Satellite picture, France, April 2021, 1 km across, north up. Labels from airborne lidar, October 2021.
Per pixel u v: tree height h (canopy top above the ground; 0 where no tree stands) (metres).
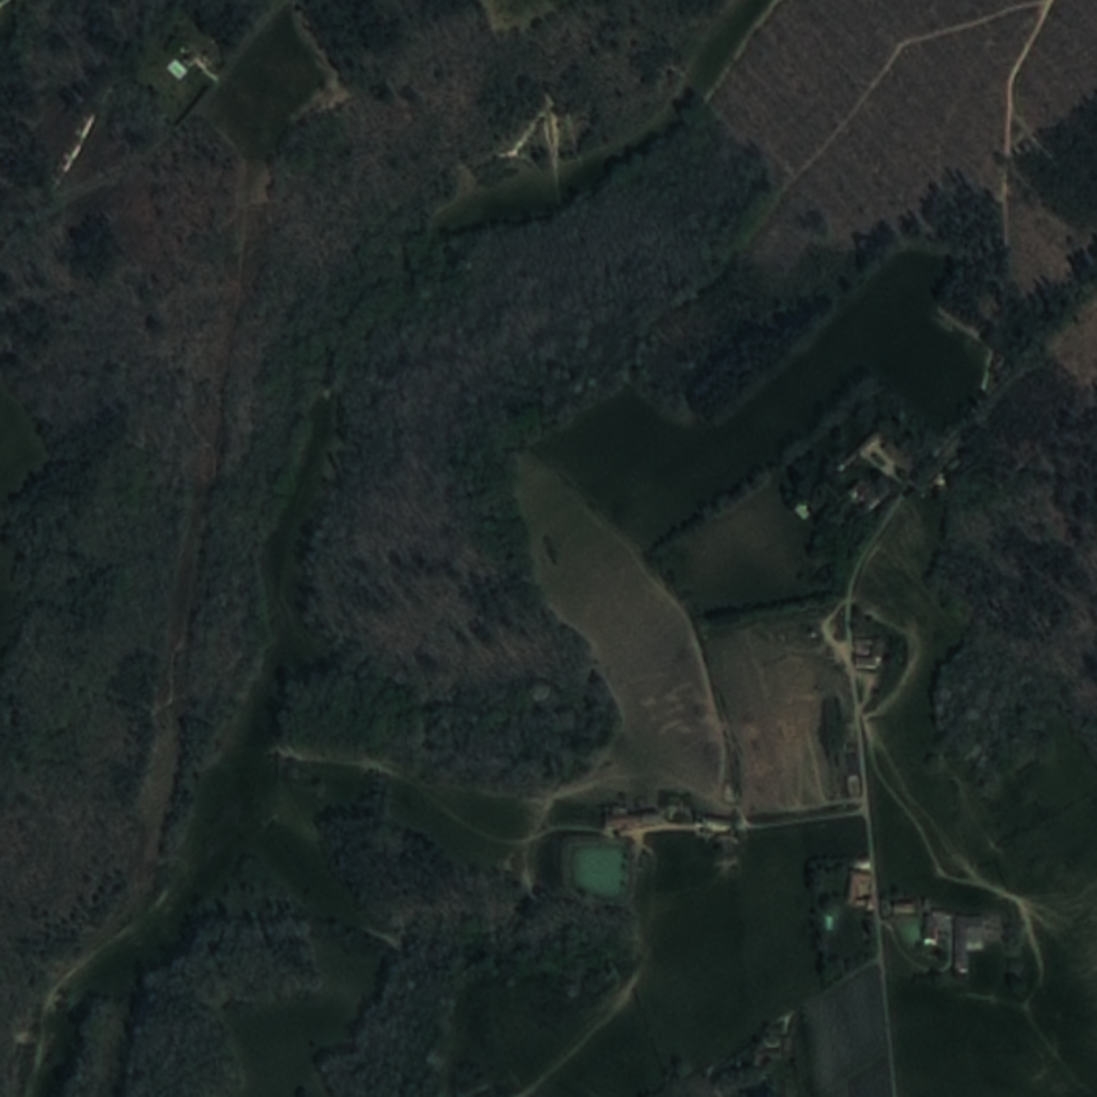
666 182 19
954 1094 0
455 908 22
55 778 20
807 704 0
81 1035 27
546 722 22
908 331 0
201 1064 26
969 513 19
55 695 19
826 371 0
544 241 16
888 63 0
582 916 22
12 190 25
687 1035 0
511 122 9
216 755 21
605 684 12
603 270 18
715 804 0
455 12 20
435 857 23
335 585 22
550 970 19
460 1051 0
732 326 10
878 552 0
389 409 16
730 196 16
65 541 17
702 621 8
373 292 21
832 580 11
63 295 12
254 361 12
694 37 16
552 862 0
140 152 27
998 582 17
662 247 18
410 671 18
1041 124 0
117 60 30
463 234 11
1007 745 19
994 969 0
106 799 15
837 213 0
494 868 0
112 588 17
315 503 0
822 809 0
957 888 0
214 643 17
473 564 21
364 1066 15
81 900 11
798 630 0
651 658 0
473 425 19
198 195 7
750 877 0
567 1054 0
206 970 22
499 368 19
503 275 17
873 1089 0
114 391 15
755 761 0
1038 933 0
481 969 17
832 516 10
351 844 24
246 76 0
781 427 0
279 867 0
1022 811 0
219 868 0
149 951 0
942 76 0
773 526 0
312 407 22
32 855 18
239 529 25
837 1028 0
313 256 17
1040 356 13
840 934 0
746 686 0
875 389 19
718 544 0
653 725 0
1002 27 0
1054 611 21
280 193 20
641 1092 0
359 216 17
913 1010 0
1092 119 7
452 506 19
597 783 0
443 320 14
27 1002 23
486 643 24
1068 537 8
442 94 18
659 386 11
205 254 21
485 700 22
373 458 16
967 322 17
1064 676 21
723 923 0
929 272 0
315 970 15
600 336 12
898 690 0
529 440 11
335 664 0
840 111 0
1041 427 6
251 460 17
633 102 16
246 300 7
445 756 18
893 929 0
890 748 0
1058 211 8
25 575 12
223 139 6
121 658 18
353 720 20
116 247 28
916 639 0
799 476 9
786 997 0
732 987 0
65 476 23
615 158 0
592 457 0
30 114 29
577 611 0
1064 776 0
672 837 0
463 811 0
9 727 17
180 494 17
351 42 20
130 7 19
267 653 19
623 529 0
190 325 12
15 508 16
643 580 0
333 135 18
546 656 23
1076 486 14
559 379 18
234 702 13
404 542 19
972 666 16
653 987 0
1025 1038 0
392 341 17
